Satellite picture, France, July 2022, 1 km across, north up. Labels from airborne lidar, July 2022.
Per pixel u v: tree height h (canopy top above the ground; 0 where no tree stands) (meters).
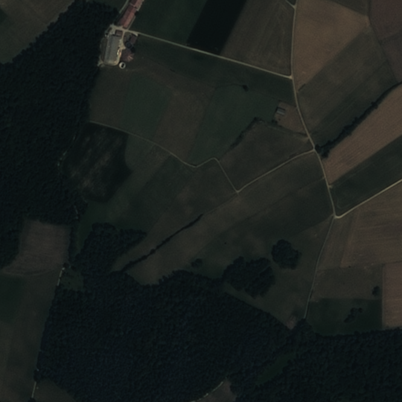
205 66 0
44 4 0
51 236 0
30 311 0
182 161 0
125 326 13
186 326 25
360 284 0
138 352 17
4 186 20
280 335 22
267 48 0
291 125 0
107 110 0
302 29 0
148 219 0
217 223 0
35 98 16
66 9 0
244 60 0
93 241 21
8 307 0
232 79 0
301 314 0
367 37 0
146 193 0
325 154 7
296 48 0
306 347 15
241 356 26
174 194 0
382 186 0
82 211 22
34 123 19
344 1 0
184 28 0
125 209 0
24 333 0
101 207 0
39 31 0
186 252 0
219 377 18
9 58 0
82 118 22
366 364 24
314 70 0
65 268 13
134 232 19
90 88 16
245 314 16
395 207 0
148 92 0
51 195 7
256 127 0
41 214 14
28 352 0
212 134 0
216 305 17
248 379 27
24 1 0
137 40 7
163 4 0
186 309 26
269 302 0
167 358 17
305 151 0
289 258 20
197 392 18
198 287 10
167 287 19
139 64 0
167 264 0
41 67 17
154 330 22
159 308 20
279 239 0
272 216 0
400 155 0
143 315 22
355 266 0
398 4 0
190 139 0
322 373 11
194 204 0
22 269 0
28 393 0
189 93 0
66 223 20
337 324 0
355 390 21
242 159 0
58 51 15
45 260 0
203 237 0
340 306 0
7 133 19
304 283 0
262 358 22
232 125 0
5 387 0
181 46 0
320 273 0
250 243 0
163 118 0
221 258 0
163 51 0
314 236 0
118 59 0
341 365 20
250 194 0
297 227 0
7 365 0
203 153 0
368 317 0
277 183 0
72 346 19
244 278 15
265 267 11
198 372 23
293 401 14
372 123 0
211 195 0
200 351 15
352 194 0
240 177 0
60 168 17
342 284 0
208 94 0
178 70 0
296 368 9
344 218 0
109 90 0
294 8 0
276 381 17
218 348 17
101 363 32
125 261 0
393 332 11
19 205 14
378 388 26
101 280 25
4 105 17
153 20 0
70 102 17
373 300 0
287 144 0
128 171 0
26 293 0
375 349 25
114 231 18
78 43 17
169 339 17
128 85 0
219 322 18
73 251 22
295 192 0
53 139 15
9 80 17
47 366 19
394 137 0
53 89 16
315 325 0
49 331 21
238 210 0
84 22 14
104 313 22
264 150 0
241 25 0
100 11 17
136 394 18
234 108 0
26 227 0
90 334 20
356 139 0
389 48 0
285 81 0
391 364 25
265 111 0
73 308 16
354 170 0
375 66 0
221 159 0
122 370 27
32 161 16
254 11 0
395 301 0
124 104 0
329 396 15
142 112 0
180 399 25
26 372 0
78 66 17
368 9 0
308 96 0
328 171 0
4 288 0
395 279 0
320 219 0
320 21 0
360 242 0
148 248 0
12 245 21
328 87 0
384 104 0
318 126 0
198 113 0
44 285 0
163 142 0
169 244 0
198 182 0
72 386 24
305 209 0
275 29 0
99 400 28
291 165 0
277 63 0
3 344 0
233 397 0
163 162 0
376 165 0
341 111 0
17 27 0
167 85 0
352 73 0
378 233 0
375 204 0
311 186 0
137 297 23
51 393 0
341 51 0
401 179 0
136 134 0
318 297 0
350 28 0
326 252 0
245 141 0
